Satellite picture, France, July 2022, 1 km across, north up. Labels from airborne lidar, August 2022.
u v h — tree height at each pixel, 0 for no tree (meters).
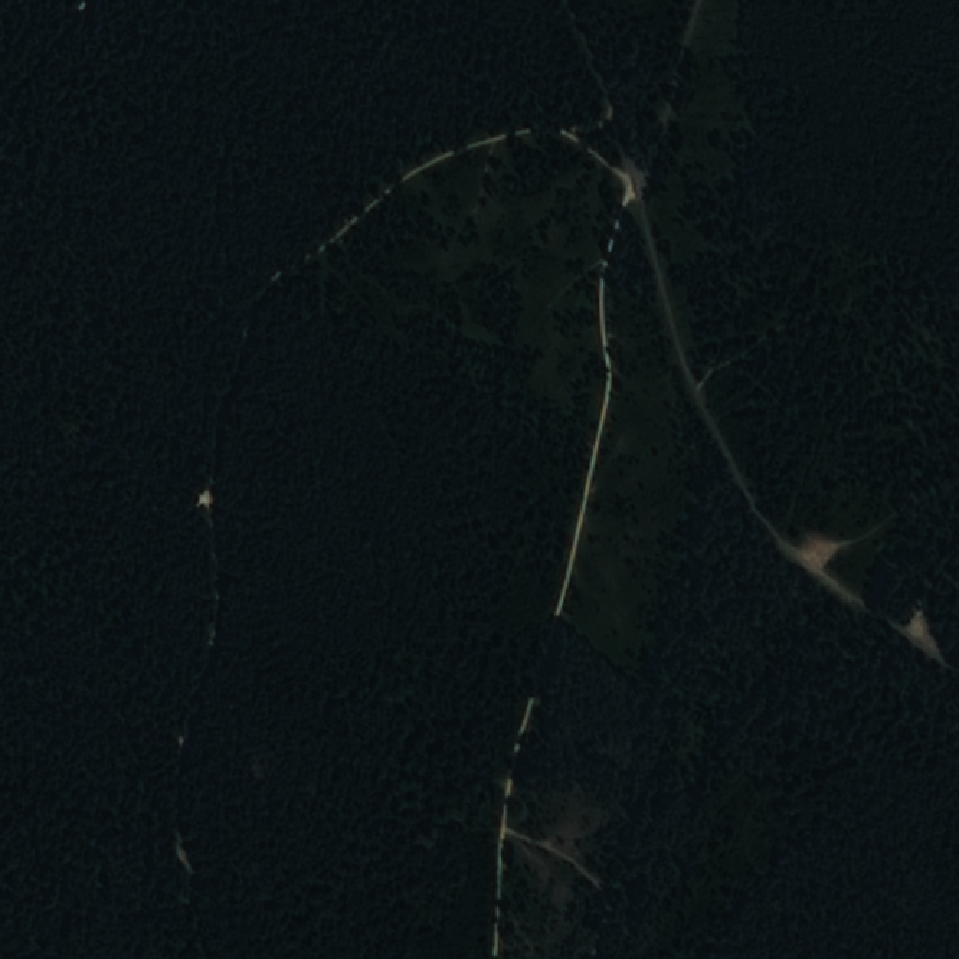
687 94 15
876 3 14
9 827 19
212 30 26
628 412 0
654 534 0
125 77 26
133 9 10
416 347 11
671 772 36
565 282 0
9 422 24
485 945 8
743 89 13
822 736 10
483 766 22
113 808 9
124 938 7
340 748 15
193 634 25
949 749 24
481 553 18
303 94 24
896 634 24
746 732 28
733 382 6
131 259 24
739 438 7
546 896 7
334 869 19
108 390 26
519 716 8
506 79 29
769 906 23
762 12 15
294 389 22
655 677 36
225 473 16
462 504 17
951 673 11
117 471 23
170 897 25
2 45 18
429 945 7
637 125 12
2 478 26
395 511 20
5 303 24
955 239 15
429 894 20
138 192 25
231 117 28
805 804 26
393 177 27
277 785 19
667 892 7
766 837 8
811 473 7
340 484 15
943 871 22
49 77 25
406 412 22
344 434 19
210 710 22
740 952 22
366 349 16
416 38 28
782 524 10
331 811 16
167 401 26
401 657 10
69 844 22
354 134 24
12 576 8
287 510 23
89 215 26
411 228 15
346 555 19
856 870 11
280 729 21
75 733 28
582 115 22
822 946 19
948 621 28
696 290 13
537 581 10
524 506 11
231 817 19
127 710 28
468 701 24
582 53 13
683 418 12
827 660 6
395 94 29
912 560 35
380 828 22
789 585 34
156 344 28
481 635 9
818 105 17
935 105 22
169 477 18
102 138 25
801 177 11
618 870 10
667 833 38
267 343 24
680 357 0
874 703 11
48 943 22
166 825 26
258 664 18
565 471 14
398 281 16
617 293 10
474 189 0
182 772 19
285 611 18
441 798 8
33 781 20
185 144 26
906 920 21
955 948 22
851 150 14
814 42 15
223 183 23
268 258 22
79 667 25
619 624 0
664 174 14
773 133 14
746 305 10
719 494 40
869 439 20
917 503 40
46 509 23
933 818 24
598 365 10
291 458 23
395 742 22
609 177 22
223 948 19
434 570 13
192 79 25
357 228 11
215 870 22
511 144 13
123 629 23
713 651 35
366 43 7
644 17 9
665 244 9
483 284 15
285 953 15
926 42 14
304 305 23
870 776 23
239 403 24
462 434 15
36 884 24
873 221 16
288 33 26
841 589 0
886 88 15
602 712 37
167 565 23
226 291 24
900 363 14
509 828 0
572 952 11
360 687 16
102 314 26
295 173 18
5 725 23
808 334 8
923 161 23
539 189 16
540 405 7
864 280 14
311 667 22
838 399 13
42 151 29
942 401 8
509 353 16
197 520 27
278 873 17
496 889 12
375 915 19
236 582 19
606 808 12
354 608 22
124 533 22
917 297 31
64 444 27
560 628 33
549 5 17
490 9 18
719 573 33
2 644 27
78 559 28
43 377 22
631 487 0
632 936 38
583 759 38
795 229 19
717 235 18
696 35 0
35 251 22
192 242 27
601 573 0
